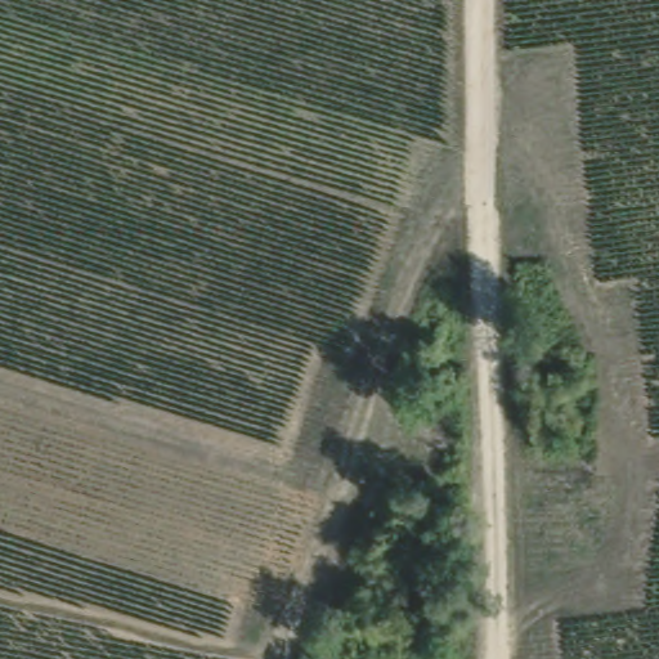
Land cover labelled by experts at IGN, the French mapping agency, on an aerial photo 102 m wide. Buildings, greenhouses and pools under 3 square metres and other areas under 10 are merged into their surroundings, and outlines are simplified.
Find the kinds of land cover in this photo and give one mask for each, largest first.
<instances>
[{"label":"vineyard","instance_id":"1","mask_svg":"<svg viewBox=\"0 0 659 659\"><path fill-rule=\"evenodd\" d=\"M443 0H0V659H263L270 644L281 638L291 641L296 633L291 628L270 626L260 633L255 644L239 636L245 608L255 602L252 579L263 569H268L273 577L309 584L314 564L330 546L319 541L322 520L330 517L337 502H350L355 497V487L348 479H340L327 492L317 494L275 481L273 471L293 456V443L309 409L311 384L322 366L319 350L327 345L330 335L342 330L355 317V299L363 291V275L373 260L376 239L386 227V219L378 211L353 201L355 196H363L376 203L391 206L399 193V178L409 157V144L417 136L427 139L435 129L443 126ZM497 44L502 49L571 44L577 51L579 144L587 160L584 183L589 190L587 239L592 245V273L597 281L636 278V288H631L628 296L638 304V337L644 353L641 363L646 366L644 386L649 396V425L651 435L659 438V0H497ZM561 659H659V510L649 548L644 605L613 613L561 615Z\"/></svg>","mask_w":659,"mask_h":659},{"label":"herbaceous vegetation","instance_id":"2","mask_svg":"<svg viewBox=\"0 0 659 659\"><path fill-rule=\"evenodd\" d=\"M443 126L435 129L427 139L417 136L409 144V157L399 178V193L391 206L376 203L363 196H355L353 201L378 211L386 219V227L376 239L373 260L363 275V291L355 299V317L342 330L330 335L327 345L319 350L322 366L311 384L309 409L293 443V456L273 471L275 481L317 494L327 492L340 479H348L355 487V497L350 502H337L330 517L322 520L319 541L330 546L314 564L309 584L273 577L268 569H263L252 579L255 602L245 608L239 636L255 644L260 633L270 626L291 628L296 633L291 641L281 638L270 644L263 659H301V654L322 633V620L330 608L342 613L363 610L358 589L363 587L366 577L337 564V548L348 543V538L363 523L378 515V492H384L391 481L402 476H425L417 458H407L396 450L407 432L399 422V414L391 412L389 402L376 394L399 368H404L402 353L409 350V340L420 330V324L407 319L404 314L412 306L414 291L427 270L430 257L438 260L445 252H469V209L463 185V0H443ZM499 116L494 154V206L499 214L502 263L510 255H543V265L553 268L561 304L569 309L577 324L579 342L589 345L595 353L600 381L597 396L602 402V407L595 409L597 458L592 463H546L543 450L523 448L505 430L507 589L510 620L515 628L512 659H561V615L613 613L644 605L649 548L659 510V438L651 435L649 425V396L644 386L646 366L641 363L644 353L638 337V304L628 296L631 288H636V278L597 281L592 273V245L587 239L589 190L584 183L587 160L579 144L577 51L571 44L502 49L497 44Z\"/></svg>","mask_w":659,"mask_h":659},{"label":"deciduous trees","instance_id":"3","mask_svg":"<svg viewBox=\"0 0 659 659\"><path fill-rule=\"evenodd\" d=\"M476 257L469 252H445L438 260L430 257L427 270L414 291L412 306L404 314L407 319L420 324V330L409 340V350L402 353L404 368H399L376 394L389 402L391 412L399 414V422L407 432L396 450L407 458H417L425 476H402L391 481L384 492H378V515L363 523L348 538V543L337 548V564L366 577L363 587L358 589L363 610L342 613L330 608L322 620V633L301 654V659H479L481 628L487 620V520L481 487L479 389L471 340V327L479 322V317L474 314L471 293V265ZM499 306L497 317L489 324L497 330V402L505 414V430L523 448L543 450L546 463H592L597 458L595 409L602 407V402L597 396L600 381L595 353L589 345L579 342L577 324L569 309L561 304L553 268L543 265V255H510L502 263V270L497 275Z\"/></svg>","mask_w":659,"mask_h":659},{"label":"pervious surface","instance_id":"4","mask_svg":"<svg viewBox=\"0 0 659 659\"><path fill-rule=\"evenodd\" d=\"M497 0H463V185L469 209V252L476 257L471 265V293L474 314L479 317V322L471 327V340L479 389L481 487L487 520V620L481 628L479 659H512L515 628L510 620L507 589L505 430V414L497 402V330L489 324L497 317L499 306L497 275L502 270V263L499 214L494 206V154L499 116L497 44Z\"/></svg>","mask_w":659,"mask_h":659}]
</instances>
